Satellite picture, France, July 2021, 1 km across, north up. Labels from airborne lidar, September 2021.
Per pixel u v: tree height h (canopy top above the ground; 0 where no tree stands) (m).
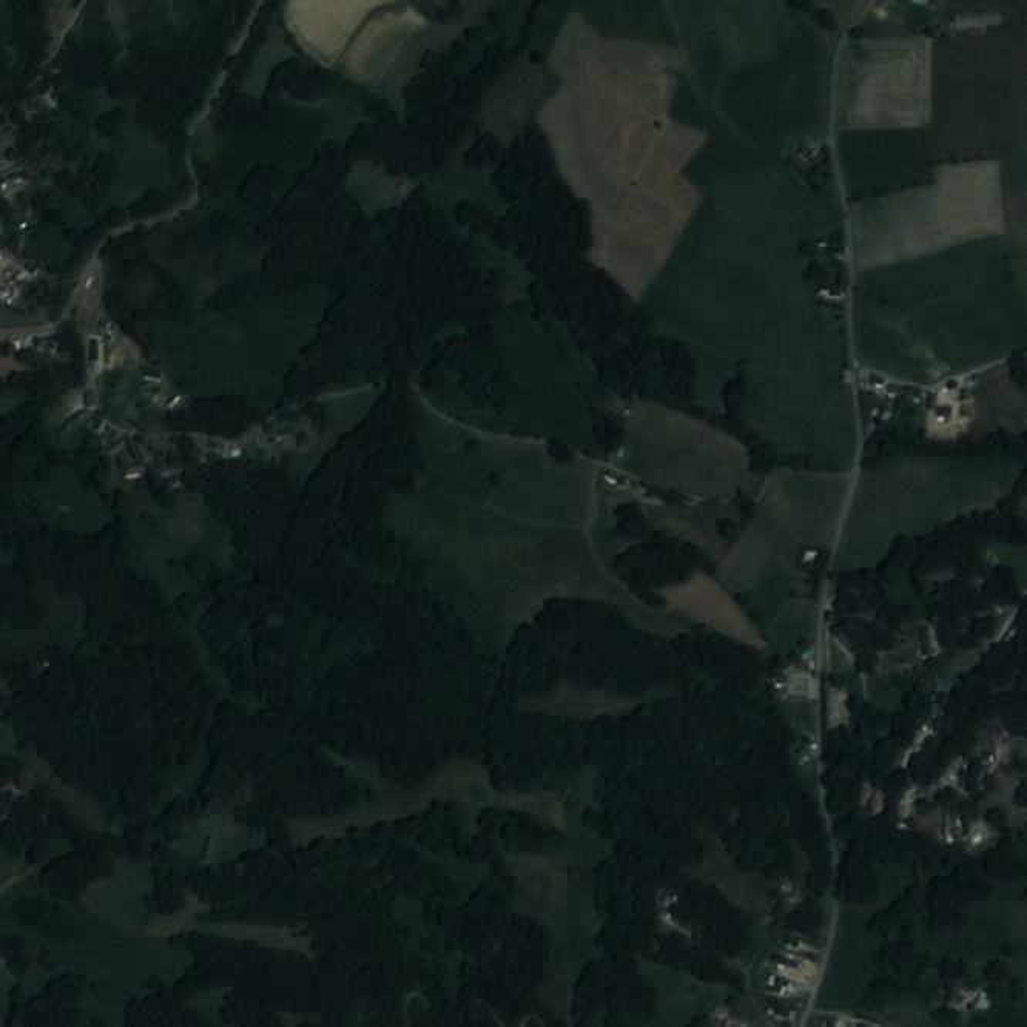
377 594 18
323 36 0
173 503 17
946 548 18
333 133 0
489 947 17
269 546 14
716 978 16
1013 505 21
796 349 0
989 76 0
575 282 18
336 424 0
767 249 0
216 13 7
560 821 0
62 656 21
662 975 0
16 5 9
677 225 0
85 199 11
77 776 12
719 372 0
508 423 0
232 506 15
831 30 14
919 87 0
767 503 0
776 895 9
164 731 18
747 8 0
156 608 16
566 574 0
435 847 16
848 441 0
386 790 0
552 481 0
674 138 0
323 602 20
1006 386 0
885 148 0
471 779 0
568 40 0
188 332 0
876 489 0
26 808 14
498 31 0
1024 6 0
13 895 0
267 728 22
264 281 9
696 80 0
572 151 0
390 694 12
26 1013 18
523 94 0
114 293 14
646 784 11
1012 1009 0
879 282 0
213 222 14
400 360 22
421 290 22
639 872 14
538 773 13
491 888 13
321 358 11
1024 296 0
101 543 26
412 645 20
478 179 0
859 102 0
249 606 25
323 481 22
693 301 0
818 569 16
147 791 19
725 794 8
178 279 10
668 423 0
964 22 0
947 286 0
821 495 0
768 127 0
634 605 0
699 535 0
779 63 0
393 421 19
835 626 11
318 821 0
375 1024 8
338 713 25
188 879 14
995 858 21
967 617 13
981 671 18
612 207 0
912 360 0
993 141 0
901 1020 0
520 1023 9
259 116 18
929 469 0
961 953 0
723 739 16
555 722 11
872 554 0
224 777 20
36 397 13
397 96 0
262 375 0
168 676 17
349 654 9
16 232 10
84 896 10
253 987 16
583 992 20
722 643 15
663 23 0
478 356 12
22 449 27
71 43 10
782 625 0
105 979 0
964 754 21
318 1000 13
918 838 19
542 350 0
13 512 15
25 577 18
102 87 17
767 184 0
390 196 0
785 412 0
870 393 7
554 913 0
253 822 18
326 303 0
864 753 21
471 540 0
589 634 9
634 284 0
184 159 7
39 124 9
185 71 15
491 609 0
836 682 14
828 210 0
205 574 11
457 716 19
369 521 19
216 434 11
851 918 0
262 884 18
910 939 11
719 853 0
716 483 0
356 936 11
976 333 0
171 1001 16
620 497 0
